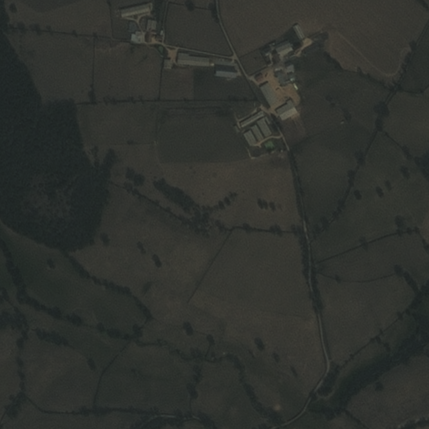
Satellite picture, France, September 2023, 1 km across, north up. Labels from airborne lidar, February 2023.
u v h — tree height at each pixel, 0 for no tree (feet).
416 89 0
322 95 0
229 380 0
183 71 0
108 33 0
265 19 0
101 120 0
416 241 0
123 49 0
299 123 0
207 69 0
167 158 0
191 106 0
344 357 0
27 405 0
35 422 0
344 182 0
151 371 0
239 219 0
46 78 0
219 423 0
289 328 0
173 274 0
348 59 0
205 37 0
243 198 0
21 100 48
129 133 0
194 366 0
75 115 46
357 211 0
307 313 0
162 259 0
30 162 61
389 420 0
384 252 0
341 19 0
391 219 0
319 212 0
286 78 0
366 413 0
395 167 0
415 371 0
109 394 0
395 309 0
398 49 0
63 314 0
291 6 0
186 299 0
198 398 0
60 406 0
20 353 0
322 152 0
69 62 0
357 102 0
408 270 0
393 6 0
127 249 0
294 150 0
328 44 0
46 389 0
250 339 0
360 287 0
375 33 0
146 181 0
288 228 0
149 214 0
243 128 0
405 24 0
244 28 0
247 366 0
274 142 0
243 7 0
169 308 0
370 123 0
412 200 0
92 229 67
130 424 0
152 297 0
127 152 0
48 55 0
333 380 48
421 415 0
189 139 0
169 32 0
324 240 0
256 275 0
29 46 0
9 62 68
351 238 0
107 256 0
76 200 62
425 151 0
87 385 0
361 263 0
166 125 0
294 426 0
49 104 40
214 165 0
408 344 35
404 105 0
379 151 0
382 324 0
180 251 0
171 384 0
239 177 0
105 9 0
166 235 0
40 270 0
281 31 0
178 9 0
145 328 0
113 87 0
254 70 0
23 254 0
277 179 0
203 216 25
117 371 0
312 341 0
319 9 0
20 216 51
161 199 0
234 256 0
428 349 0
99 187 79
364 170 0
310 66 0
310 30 0
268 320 0
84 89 0
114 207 0
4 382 0
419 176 0
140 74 0
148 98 0
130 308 0
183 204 36
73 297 0
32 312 0
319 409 20
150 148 0
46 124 36
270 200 0
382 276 0
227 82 0
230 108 0
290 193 0
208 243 0
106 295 0
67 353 0
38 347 0
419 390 0
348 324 0
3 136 61
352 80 0
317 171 0
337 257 0
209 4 0
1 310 0
